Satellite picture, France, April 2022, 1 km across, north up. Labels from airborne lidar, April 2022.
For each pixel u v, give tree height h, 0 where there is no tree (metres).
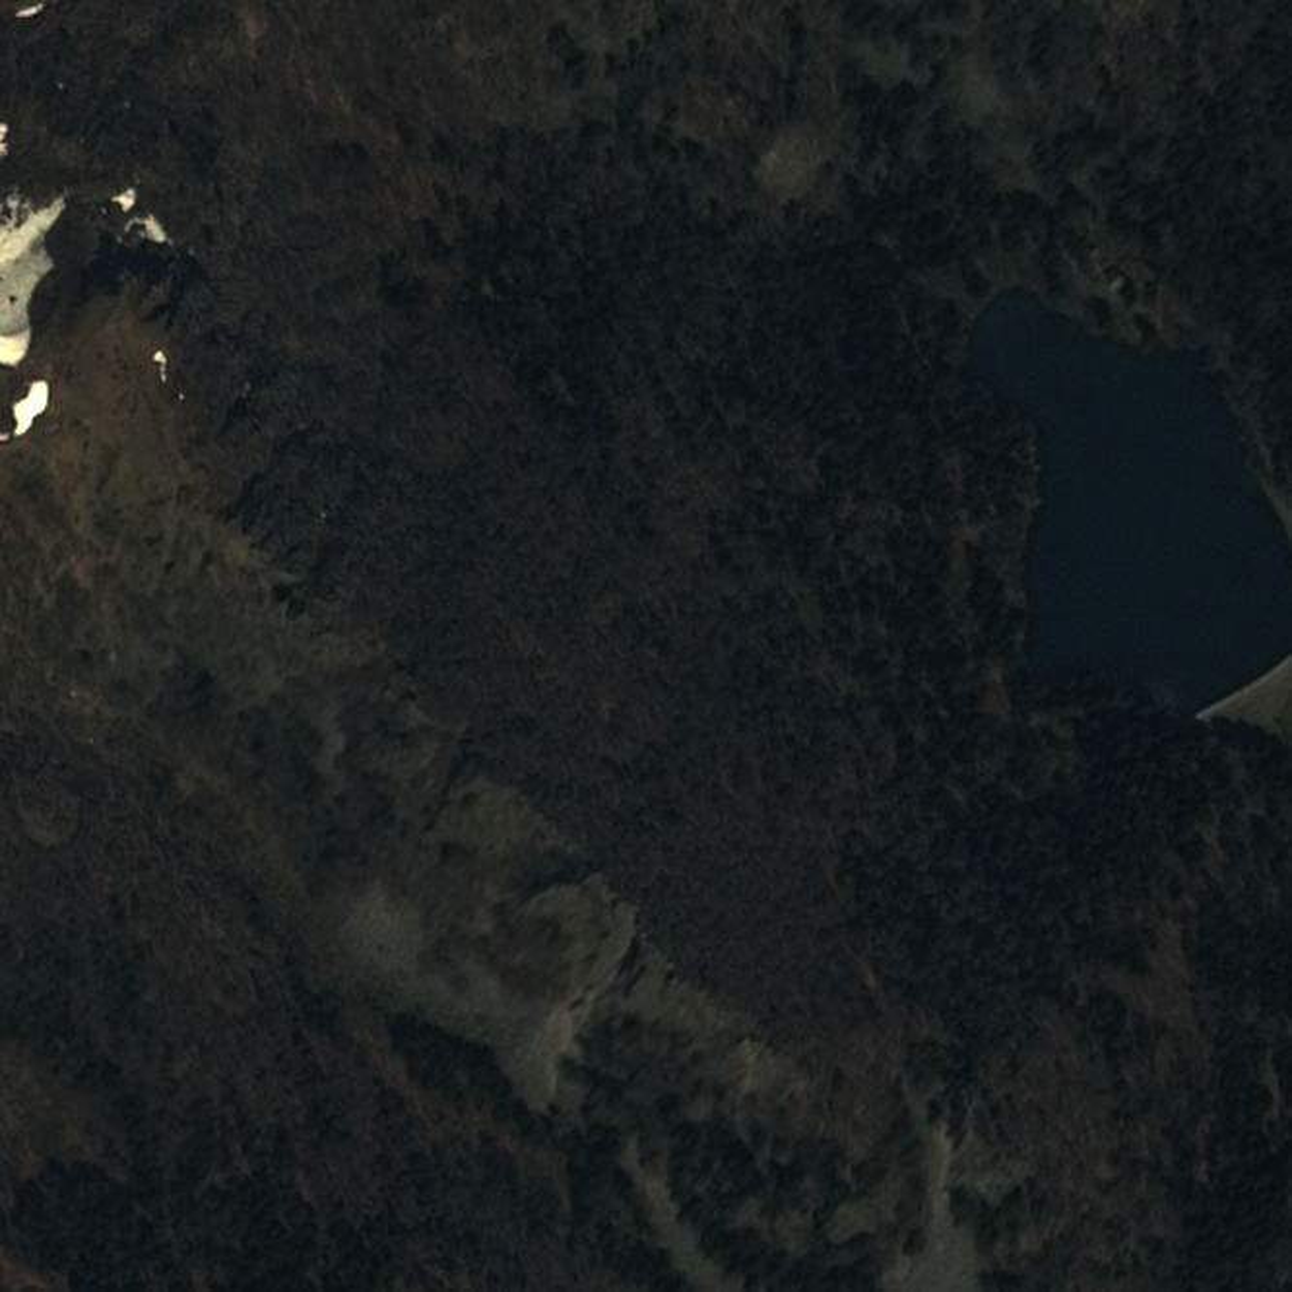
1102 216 14
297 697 21
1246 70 29
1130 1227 31
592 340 18
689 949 21
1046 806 21
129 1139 30
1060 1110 30
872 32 23
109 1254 28
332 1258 20
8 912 22
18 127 0
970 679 26
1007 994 26
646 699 32
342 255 21
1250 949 23
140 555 7
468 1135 16
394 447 18
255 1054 28
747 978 26
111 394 0
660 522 29
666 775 38
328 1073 29
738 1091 20
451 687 19
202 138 14
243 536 0
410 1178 29
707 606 35
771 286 29
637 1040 26
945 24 17
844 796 30
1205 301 22
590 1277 29
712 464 30
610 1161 28
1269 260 20
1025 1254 15
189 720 24
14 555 13
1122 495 0
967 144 29
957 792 17
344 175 18
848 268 26
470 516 32
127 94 8
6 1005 28
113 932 16
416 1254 27
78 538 12
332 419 24
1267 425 26
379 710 14
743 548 31
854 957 31
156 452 0
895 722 37
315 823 19
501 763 13
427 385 24
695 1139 17
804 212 27
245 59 12
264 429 15
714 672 32
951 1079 28
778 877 36
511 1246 28
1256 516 0
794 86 29
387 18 16
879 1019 33
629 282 26
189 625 19
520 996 30
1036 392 0
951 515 30
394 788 14
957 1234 0
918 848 33
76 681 10
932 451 27
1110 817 31
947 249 29
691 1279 19
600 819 25
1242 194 26
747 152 25
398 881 24
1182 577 0
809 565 35
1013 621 21
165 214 17
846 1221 9
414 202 19
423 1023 10
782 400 23
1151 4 10
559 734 27
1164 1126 23
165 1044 21
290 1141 24
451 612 22
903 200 29
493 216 21
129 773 22
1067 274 24
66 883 23
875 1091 22
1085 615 0
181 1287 37
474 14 13
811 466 26
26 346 0
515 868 23
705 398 25
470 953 24
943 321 26
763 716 31
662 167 15
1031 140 26
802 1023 27
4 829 24
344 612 13
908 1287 0
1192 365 0
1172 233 17
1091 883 28
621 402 22
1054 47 22
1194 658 0
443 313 27
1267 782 27
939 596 39
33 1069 14
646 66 19
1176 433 0
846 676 32
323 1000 24
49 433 0
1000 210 34
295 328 11
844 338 25
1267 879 19
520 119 7
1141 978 17
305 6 17
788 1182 17
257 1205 27
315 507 20
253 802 27
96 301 0
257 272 19
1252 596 0
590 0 15
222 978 31
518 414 27
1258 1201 32
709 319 23
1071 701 28
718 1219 25
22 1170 13
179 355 8
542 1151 23
